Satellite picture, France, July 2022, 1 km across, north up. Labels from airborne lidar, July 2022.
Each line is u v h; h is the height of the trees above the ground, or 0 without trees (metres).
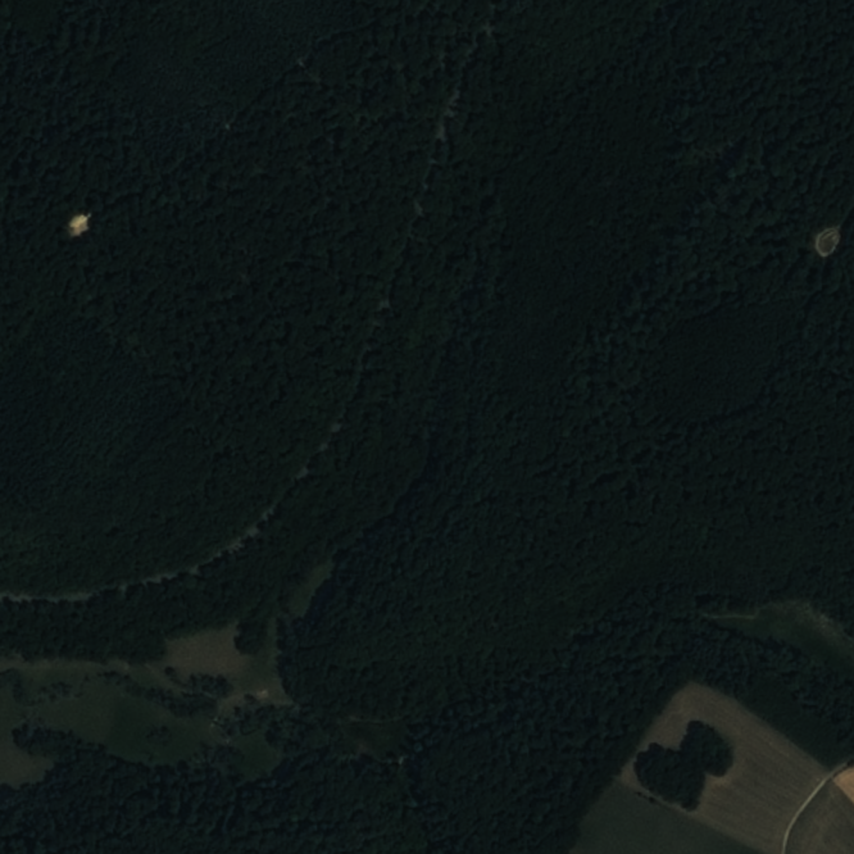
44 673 0
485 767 19
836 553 21
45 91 29
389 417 22
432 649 16
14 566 15
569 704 26
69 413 10
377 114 31
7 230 20
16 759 0
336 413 24
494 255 26
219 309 23
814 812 0
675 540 17
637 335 25
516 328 15
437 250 31
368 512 29
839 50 27
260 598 23
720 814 0
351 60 30
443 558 27
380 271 31
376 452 15
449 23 31
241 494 20
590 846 0
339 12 16
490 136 23
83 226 0
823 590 23
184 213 29
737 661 18
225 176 26
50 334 11
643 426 24
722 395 16
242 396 21
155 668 0
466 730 36
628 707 29
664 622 26
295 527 21
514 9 20
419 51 33
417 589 20
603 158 13
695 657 25
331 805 31
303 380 27
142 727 0
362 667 21
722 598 28
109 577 23
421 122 20
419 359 26
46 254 22
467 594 21
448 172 27
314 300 24
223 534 19
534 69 10
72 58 14
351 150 28
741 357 17
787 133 27
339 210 25
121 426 12
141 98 18
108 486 10
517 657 33
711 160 8
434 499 24
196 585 23
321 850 26
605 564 21
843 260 23
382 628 19
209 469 22
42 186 29
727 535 20
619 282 14
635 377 27
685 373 19
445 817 34
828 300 24
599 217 10
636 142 8
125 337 24
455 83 27
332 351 27
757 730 0
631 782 0
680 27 27
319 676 25
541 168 15
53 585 23
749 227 25
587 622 29
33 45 23
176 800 35
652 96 9
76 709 0
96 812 32
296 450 29
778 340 14
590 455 25
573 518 27
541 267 14
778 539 15
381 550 29
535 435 25
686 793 23
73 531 18
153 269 26
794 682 26
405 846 34
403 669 24
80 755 28
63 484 9
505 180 17
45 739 27
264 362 26
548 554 27
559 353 18
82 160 30
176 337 21
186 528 15
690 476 27
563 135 13
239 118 12
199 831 26
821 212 24
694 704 0
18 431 17
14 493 12
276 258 25
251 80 14
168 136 22
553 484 25
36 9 12
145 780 25
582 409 26
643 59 25
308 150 20
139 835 32
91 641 23
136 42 18
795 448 23
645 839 0
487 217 29
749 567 9
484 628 14
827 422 23
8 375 14
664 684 22
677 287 29
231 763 23
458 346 31
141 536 24
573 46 12
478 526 24
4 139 34
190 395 23
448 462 25
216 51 14
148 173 24
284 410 30
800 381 26
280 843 33
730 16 27
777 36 33
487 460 21
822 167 23
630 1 19
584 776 27
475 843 25
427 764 29
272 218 23
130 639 25
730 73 28
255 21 12
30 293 22
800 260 22
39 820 28
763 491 7
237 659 0
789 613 0
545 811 23
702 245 29
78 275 24
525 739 23
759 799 0
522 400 15
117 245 25
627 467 28
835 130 30
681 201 8
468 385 18
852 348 24
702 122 30
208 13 10
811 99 30
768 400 25
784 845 0
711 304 30
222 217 20
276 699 0
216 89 7
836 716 9
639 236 11
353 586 16
